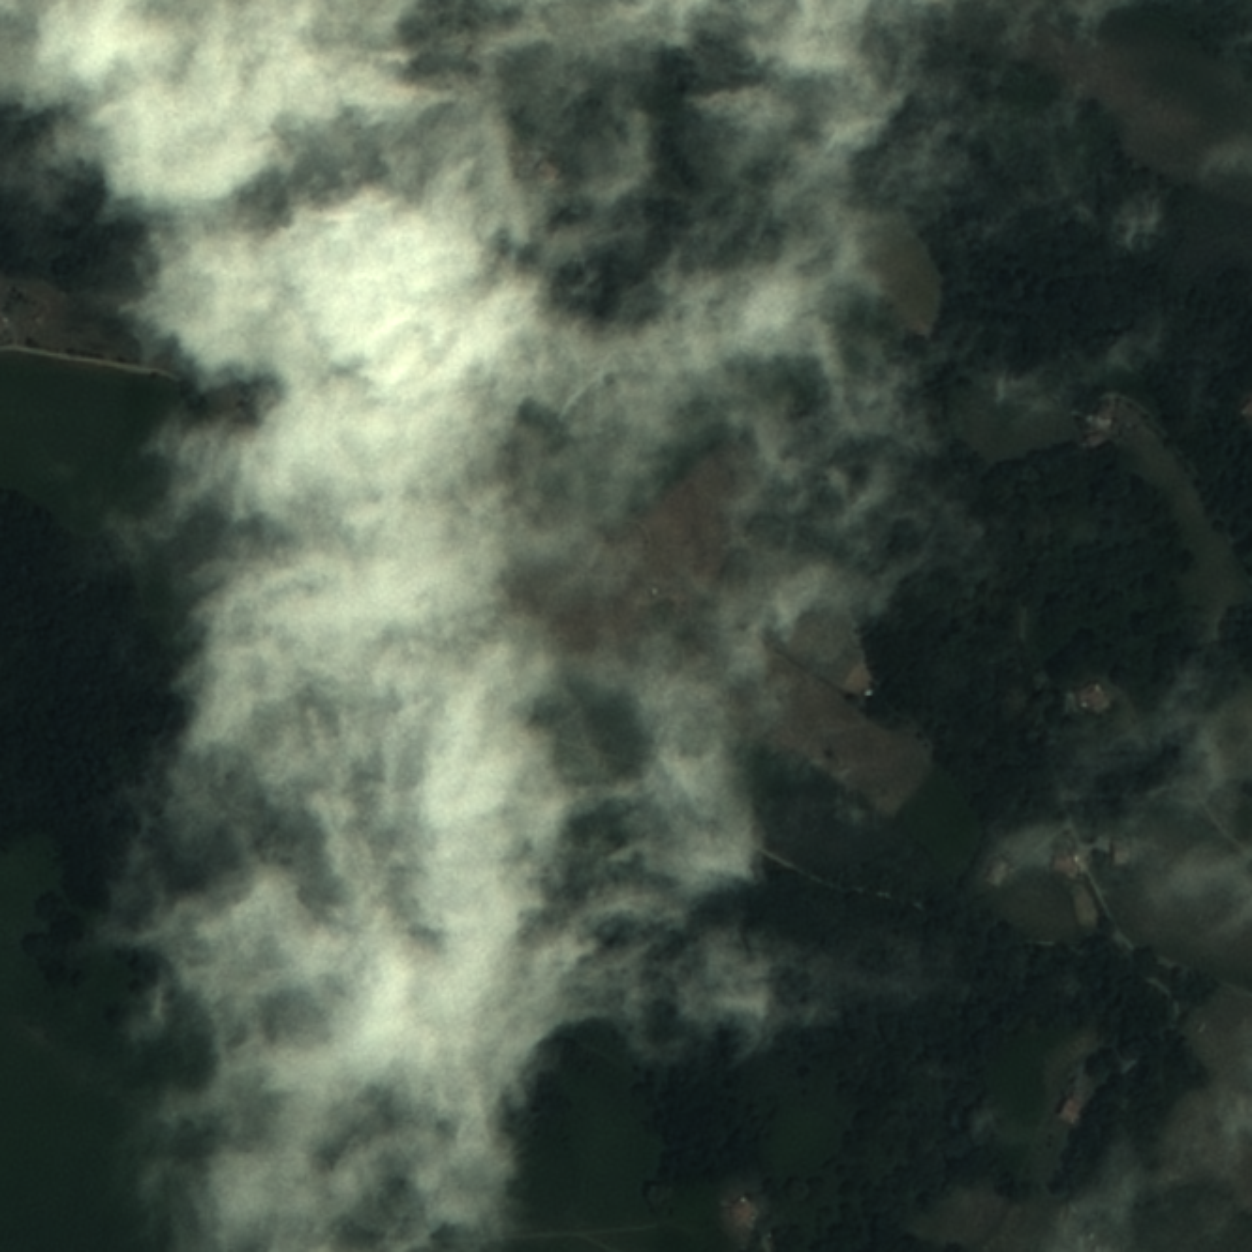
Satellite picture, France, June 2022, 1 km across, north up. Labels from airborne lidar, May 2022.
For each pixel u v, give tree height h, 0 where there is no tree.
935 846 0
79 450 0
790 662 0
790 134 19
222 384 0
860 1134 10
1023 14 0
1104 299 22
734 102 21
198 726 14
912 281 0
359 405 13
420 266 0
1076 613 8
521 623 0
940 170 26
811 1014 27
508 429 0
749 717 0
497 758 0
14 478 0
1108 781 26
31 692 20
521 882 17
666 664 0
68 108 30
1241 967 0
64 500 0
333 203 21
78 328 0
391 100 22
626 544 0
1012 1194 20
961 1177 22
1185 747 11
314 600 0
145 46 0
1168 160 0
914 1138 14
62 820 16
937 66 20
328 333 18
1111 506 24
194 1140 0
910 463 16
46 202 27
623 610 0
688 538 0
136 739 23
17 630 18
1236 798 0
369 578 0
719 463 0
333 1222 0
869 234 0
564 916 12
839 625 0
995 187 16
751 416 0
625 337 23
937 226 22
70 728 22
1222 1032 0
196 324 0
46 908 11
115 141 21
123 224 29
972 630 22
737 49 20
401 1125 11
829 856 0
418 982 15
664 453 0
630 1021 7
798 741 0
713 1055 19
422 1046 19
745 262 0
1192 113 0
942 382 20
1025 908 0
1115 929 9
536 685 0
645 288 19
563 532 0
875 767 0
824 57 22
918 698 10
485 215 0
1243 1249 0
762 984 26
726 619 0
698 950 24
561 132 10
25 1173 0
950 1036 22
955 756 12
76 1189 0
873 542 9
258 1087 0
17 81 27
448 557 0
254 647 0
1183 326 17
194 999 10
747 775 0
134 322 0
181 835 25
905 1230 20
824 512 6
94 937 12
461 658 0
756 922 15
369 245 19
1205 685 28
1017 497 22
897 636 20
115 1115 0
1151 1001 22
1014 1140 0
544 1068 14
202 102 0
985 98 8
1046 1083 0
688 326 10
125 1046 0
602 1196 0
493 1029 16
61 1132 0
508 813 0
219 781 14
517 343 17
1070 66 0
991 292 26
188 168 0
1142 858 0
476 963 18
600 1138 0
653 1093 14
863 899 8
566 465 0
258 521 0
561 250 31
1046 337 32
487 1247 0
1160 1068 18
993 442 0
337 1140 16
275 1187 0
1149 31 0
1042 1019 17
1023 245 24
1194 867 0
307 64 9
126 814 23
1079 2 0
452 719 0
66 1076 0
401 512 0
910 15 0
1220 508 15
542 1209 0
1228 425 15
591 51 17
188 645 0
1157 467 0
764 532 0
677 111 0
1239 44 7
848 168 25
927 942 14
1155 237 6
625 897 8
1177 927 0
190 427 0
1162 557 8
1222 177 0
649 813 7
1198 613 9
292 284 27
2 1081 0
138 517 0
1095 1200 20
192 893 30
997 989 31
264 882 24
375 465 0
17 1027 0
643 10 26
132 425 0
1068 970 23
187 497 0
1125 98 0
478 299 0
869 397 23
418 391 0
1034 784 27
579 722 0
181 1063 0
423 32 15
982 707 21
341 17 13
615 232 8
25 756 12
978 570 22
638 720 0
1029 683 27
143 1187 0
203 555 0
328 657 0
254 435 0
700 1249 0
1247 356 14
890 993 26
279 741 0
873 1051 14
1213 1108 0
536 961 21
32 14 25
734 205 0
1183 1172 0
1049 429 0
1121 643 11
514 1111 7
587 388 19
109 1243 0
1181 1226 0
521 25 24
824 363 0
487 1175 0
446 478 0
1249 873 0
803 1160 0
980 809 13
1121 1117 20
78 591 21
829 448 19
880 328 0
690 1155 22
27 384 0
